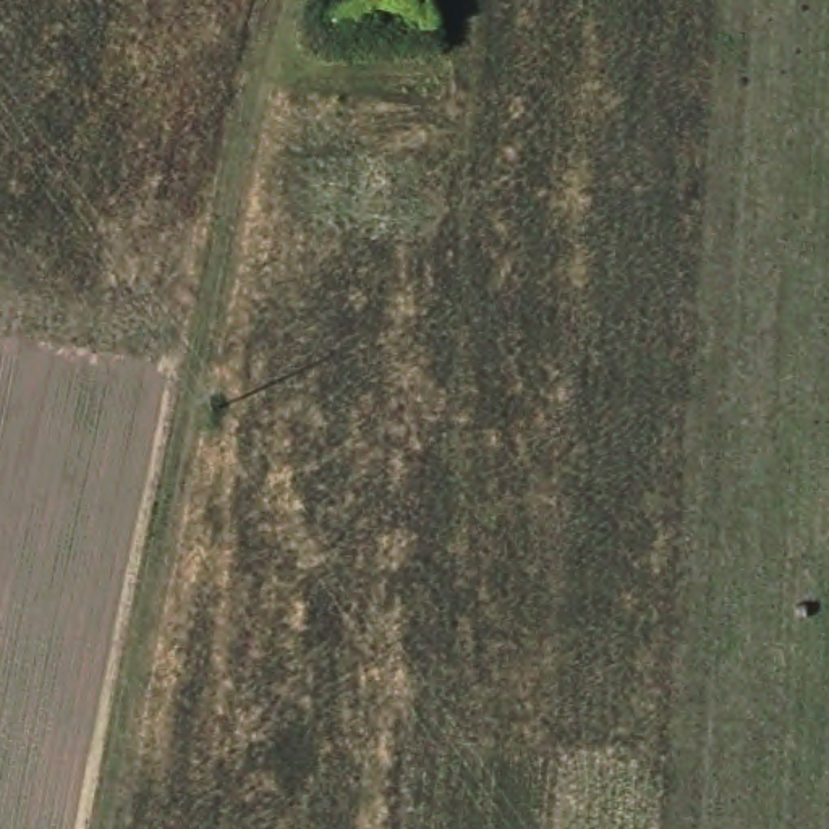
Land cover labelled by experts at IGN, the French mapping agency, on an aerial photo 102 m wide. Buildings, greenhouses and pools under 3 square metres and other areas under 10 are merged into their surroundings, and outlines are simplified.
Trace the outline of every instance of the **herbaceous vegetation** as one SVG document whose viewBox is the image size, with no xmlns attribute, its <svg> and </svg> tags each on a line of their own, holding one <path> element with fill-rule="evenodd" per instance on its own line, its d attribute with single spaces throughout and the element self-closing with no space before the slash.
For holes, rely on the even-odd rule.
<svg viewBox="0 0 829 829">
<path fill-rule="evenodd" d="M 275 39 L 275 16 L 282 0 L 0 0 L 0 337 L 19 340 L 32 334 L 39 340 L 52 340 L 62 346 L 87 346 L 94 353 L 152 356 L 155 363 L 162 356 L 172 356 L 178 363 L 178 385 L 172 398 L 155 499 L 146 528 L 152 541 L 162 541 L 168 534 L 181 512 L 185 483 L 191 476 L 191 463 L 198 453 L 198 437 L 207 434 L 204 421 L 198 418 L 201 408 L 194 405 L 198 376 L 204 369 L 223 366 L 227 359 L 243 363 L 243 343 L 253 330 L 253 321 L 227 324 L 227 298 L 236 269 L 236 243 L 253 181 L 259 126 L 269 113 L 269 104 L 259 104 L 256 97 Z"/>
</svg>

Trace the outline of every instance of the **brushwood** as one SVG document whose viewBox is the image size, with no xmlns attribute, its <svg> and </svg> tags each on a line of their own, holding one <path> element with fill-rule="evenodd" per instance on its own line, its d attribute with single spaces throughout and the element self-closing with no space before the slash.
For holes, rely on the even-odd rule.
<svg viewBox="0 0 829 829">
<path fill-rule="evenodd" d="M 379 58 L 444 52 L 444 39 L 437 29 L 440 16 L 434 10 L 434 0 L 308 0 L 301 26 L 304 45 L 314 55 L 340 58 L 346 65 L 376 65 Z"/>
</svg>

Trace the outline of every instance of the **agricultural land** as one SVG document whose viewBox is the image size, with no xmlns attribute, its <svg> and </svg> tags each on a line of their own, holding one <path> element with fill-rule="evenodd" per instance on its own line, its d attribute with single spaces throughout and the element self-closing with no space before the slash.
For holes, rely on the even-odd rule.
<svg viewBox="0 0 829 829">
<path fill-rule="evenodd" d="M 52 340 L 39 340 L 32 334 L 19 340 L 0 337 L 0 829 L 829 829 L 829 0 L 434 0 L 434 10 L 440 16 L 437 29 L 444 39 L 444 52 L 379 58 L 376 65 L 346 65 L 340 58 L 314 55 L 304 45 L 301 26 L 308 0 L 282 0 L 275 16 L 275 39 L 256 97 L 259 104 L 269 104 L 269 113 L 259 126 L 253 181 L 236 243 L 236 269 L 227 298 L 227 324 L 253 321 L 253 330 L 243 343 L 243 363 L 227 359 L 223 366 L 204 369 L 198 376 L 194 405 L 201 408 L 198 418 L 204 421 L 207 434 L 198 437 L 198 453 L 191 463 L 191 476 L 185 483 L 181 512 L 168 534 L 162 541 L 152 541 L 146 528 L 155 499 L 172 398 L 178 385 L 178 363 L 172 356 L 162 356 L 155 363 L 152 356 L 94 353 L 87 346 L 62 346 Z"/>
</svg>

